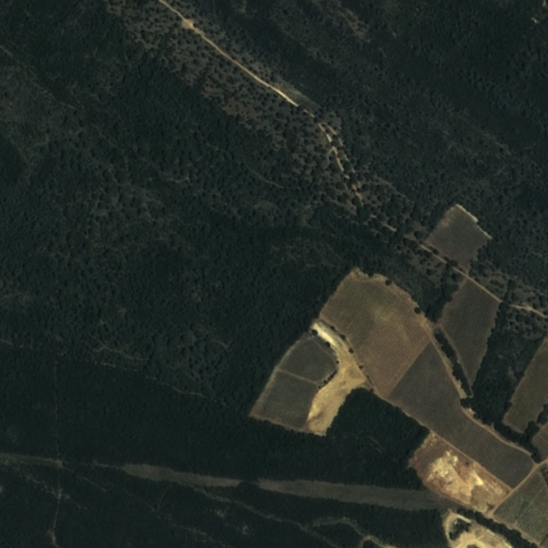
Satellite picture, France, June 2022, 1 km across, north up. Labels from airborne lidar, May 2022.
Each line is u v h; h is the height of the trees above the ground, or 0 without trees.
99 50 7
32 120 6
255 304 16
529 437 12
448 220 0
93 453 7
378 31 8
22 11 7
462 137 6
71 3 7
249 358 8
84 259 6
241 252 13
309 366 0
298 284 7
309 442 7
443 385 0
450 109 17
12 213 14
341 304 0
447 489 0
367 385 0
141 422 8
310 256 10
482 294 0
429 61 10
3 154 6
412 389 0
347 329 0
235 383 9
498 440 0
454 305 0
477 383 9
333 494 0
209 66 6
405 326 0
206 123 7
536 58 18
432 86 7
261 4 6
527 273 11
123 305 6
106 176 13
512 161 7
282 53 6
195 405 8
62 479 7
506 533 7
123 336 13
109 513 7
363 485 10
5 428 7
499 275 6
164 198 7
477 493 0
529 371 0
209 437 12
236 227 10
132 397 7
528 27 7
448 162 7
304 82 8
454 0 7
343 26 12
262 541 8
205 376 15
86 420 6
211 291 7
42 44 8
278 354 8
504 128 6
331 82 11
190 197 9
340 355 0
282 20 7
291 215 15
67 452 8
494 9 8
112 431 9
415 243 15
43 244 15
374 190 13
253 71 15
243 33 17
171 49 13
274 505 7
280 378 0
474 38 14
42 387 6
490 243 8
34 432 9
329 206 15
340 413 9
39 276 13
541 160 9
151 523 6
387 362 0
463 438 0
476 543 0
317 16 13
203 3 19
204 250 14
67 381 7
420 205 11
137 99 15
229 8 7
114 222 13
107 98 12
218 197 14
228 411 11
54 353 7
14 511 5
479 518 9
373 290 0
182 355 8
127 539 7
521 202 7
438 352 0
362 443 8
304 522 8
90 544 8
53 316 11
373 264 10
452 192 11
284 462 7
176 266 8
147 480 7
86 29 14
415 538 11
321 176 6
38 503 6
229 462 8
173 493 7
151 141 6
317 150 14
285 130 7
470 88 8
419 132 6
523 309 7
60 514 6
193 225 7
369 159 8
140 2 9
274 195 11
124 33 9
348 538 10
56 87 7
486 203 7
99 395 8
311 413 0
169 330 10
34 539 6
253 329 8
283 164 15
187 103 14
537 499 0
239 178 13
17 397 8
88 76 11
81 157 14
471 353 0
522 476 0
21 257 10
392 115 13
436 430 0
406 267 6
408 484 13
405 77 9
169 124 13
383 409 6
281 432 12
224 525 6
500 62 9
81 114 13
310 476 10
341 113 17
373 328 0
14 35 7
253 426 9
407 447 6
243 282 12
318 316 11
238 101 7
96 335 11
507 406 11
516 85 15
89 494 6
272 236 8
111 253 15
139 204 13
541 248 11
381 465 8
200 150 12
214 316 7
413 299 10
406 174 10
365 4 9
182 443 7
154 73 15
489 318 0
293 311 15
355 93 11
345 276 9
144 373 8
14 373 9
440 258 0
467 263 0
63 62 8
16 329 7
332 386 0
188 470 8
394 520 9
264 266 14
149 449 10
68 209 12
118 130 13
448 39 6
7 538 6
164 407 7
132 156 9
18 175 7
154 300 12
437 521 10
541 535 0
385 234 11
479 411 13
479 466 0
